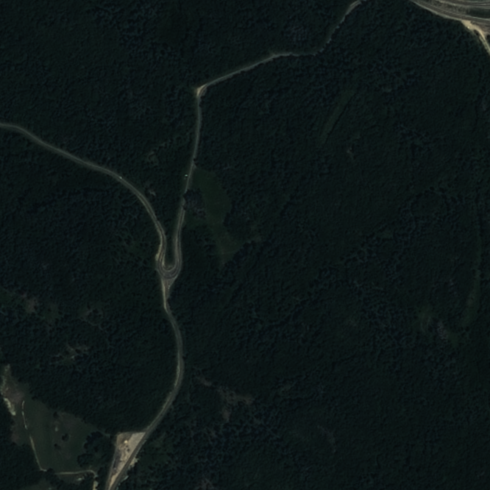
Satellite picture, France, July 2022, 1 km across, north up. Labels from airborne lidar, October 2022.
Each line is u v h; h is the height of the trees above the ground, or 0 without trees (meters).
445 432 27
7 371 0
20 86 10
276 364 14
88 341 13
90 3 16
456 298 17
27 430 0
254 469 7
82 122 15
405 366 15
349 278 15
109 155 18
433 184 20
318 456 6
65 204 20
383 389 11
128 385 14
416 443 21
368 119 10
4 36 18
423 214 13
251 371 10
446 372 29
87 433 0
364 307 20
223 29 24
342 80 7
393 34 12
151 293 11
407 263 14
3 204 17
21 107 10
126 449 0
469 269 18
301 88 11
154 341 6
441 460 12
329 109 9
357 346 12
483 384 8
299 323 14
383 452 16
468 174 20
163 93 17
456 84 14
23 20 14
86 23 11
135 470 6
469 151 19
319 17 28
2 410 20
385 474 13
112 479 0
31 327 35
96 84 13
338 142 8
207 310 14
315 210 7
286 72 13
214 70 14
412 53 15
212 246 12
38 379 15
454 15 0
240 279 6
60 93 18
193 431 11
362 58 10
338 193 9
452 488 23
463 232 15
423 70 13
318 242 8
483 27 0
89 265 17
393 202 15
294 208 16
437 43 14
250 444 17
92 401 12
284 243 16
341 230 11
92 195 30
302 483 10
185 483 8
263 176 16
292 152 12
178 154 12
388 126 13
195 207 0
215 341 8
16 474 11
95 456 9
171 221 23
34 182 16
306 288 12
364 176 13
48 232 15
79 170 6
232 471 14
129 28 6
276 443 24
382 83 7
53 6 12
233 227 22
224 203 0
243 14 25
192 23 6
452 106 13
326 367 13
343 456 12
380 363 19
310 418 7
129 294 7
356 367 13
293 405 23
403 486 18
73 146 18
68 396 12
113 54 9
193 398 8
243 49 8
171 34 8
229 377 8
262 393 11
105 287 8
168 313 0
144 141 20
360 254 30
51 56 16
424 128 12
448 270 14
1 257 20
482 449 21
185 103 20
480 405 10
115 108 10
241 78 14
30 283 12
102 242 18
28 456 8
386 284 19
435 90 8
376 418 15
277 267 11
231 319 13
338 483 12
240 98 16
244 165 10
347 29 8
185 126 15
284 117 11
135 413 8
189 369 6
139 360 6
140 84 18
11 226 11
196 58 14
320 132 8
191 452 6
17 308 12
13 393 0
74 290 18
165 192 16
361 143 12
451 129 10
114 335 22
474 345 8
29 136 0
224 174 17
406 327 15
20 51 11
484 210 12
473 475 16
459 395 21
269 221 14
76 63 13
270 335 15
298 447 16
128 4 14
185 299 20
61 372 19
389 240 14
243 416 11
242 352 15
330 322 17
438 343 16
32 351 13
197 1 17
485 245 7
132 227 14
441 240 12
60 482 9
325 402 20
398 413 16
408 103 14
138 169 20
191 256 9
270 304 15
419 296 11
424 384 17
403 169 15
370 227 14
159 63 21
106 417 10
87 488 9
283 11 20
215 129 13
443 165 9
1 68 20
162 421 7
